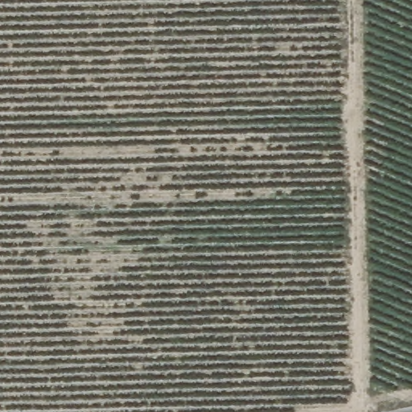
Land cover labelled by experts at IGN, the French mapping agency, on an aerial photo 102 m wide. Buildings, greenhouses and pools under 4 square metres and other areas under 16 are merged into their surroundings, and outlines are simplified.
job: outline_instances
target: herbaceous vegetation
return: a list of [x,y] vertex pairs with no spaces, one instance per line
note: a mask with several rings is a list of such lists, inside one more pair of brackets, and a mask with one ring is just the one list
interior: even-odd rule
[[412,412],[412,399],[378,402],[378,412]]

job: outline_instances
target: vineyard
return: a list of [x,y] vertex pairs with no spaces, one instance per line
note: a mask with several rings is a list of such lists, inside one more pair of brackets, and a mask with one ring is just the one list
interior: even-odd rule
[[369,283],[370,383],[367,393],[369,396],[377,396],[385,391],[412,388],[412,0],[360,0],[364,6],[362,26],[365,122],[362,132],[367,222],[365,259]]
[[341,92],[341,87],[348,82],[349,77],[348,40],[346,29],[338,27],[340,21],[348,21],[346,3],[349,0],[0,0],[0,412],[295,412],[298,404],[346,404],[354,391],[354,383],[351,380],[352,367],[344,364],[344,359],[348,357],[348,348],[351,346],[348,314],[354,303],[354,296],[349,291],[349,264],[352,262],[349,238],[351,185],[349,166],[346,166],[348,150],[344,146],[346,130],[343,129],[341,119],[344,101],[348,100],[348,95]]

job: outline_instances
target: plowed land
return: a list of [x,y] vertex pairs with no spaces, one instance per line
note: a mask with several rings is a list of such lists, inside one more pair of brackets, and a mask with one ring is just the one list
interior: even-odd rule
[[351,380],[354,383],[354,391],[346,404],[298,404],[295,412],[378,412],[378,402],[412,399],[412,388],[385,391],[377,396],[369,396],[367,393],[370,383],[369,283],[365,259],[367,222],[362,132],[365,122],[362,26],[364,6],[360,0],[349,0],[346,3],[348,21],[340,21],[338,27],[346,29],[348,40],[349,77],[348,82],[341,87],[341,92],[348,95],[348,100],[344,101],[341,119],[343,129],[346,130],[344,146],[348,150],[346,166],[349,166],[351,185],[349,238],[352,262],[349,264],[349,291],[354,296],[354,303],[348,314],[351,346],[348,348],[348,357],[344,359],[344,364],[352,367]]

